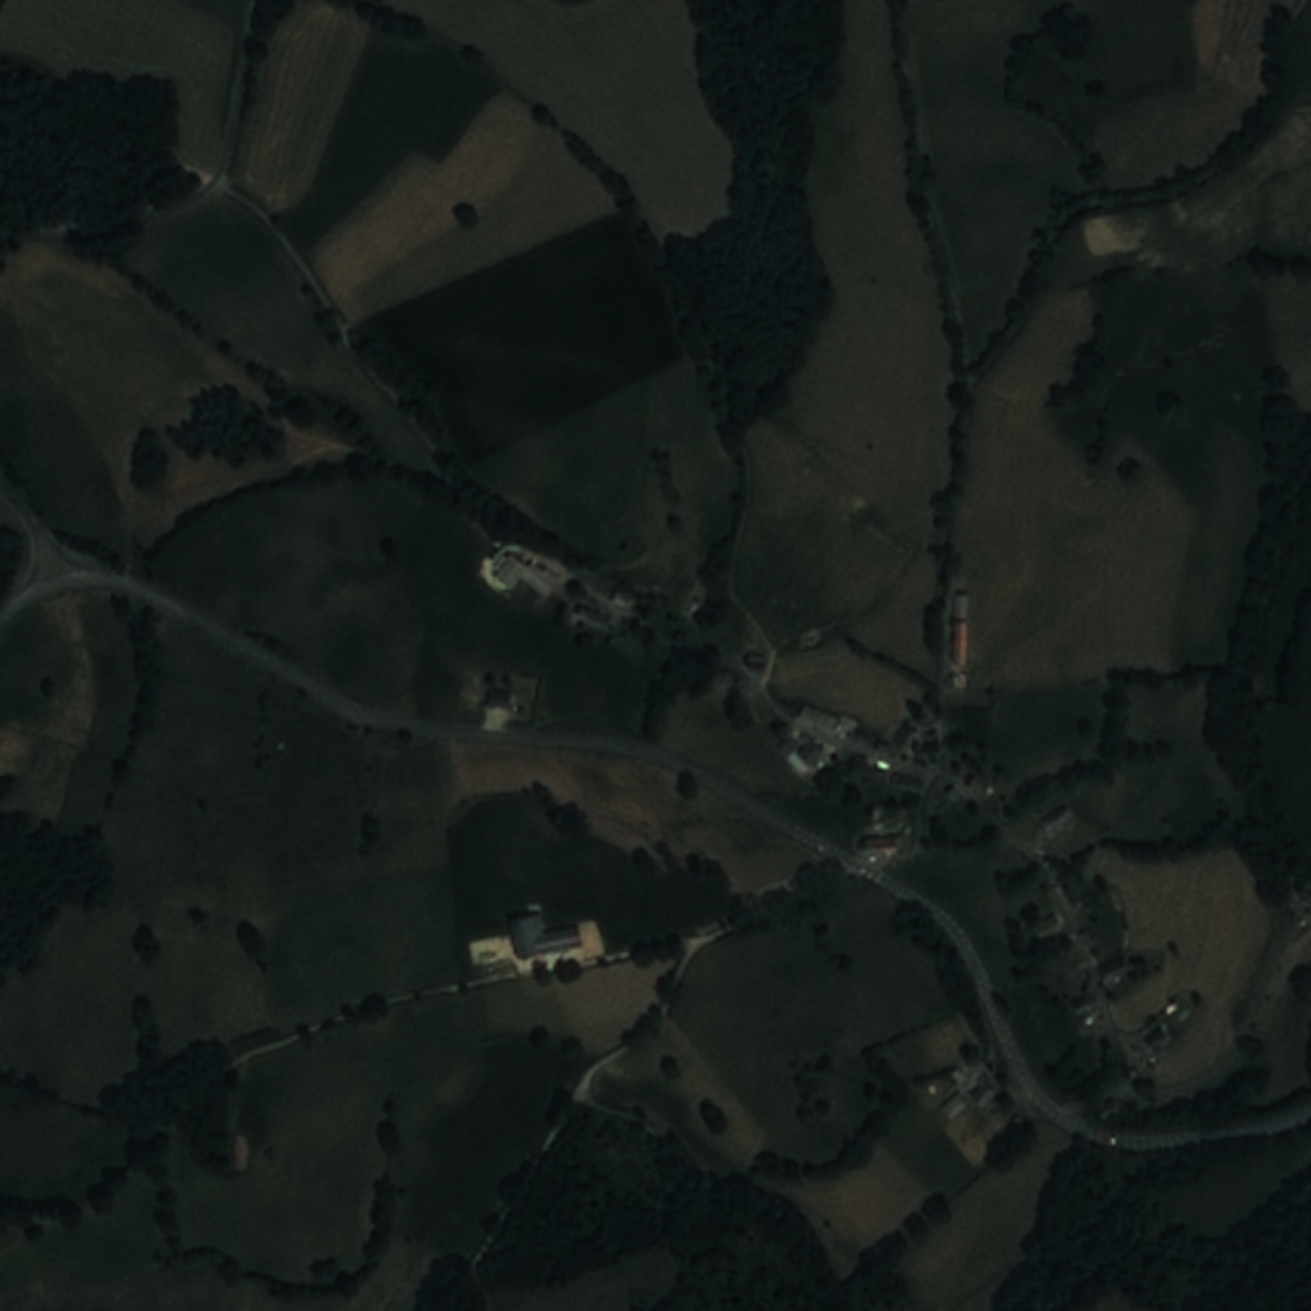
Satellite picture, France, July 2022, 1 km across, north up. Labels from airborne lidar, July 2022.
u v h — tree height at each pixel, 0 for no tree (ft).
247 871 0
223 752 0
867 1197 0
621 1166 0
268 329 0
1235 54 0
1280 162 0
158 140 65
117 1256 0
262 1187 0
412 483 41
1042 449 0
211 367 0
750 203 69
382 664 0
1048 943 48
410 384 32
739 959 0
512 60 0
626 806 0
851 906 0
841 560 0
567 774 0
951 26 0
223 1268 48
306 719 0
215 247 0
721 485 0
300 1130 0
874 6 0
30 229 57
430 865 0
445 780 0
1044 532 0
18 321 0
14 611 0
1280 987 0
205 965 0
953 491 40
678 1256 49
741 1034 0
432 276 0
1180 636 0
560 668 0
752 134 69
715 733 0
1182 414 63
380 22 55
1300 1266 27
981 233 0
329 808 0
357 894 0
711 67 50
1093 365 73
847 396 0
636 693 0
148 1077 63
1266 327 0
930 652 40
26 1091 48
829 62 91
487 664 0
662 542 0
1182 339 0
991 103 0
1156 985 0
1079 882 31
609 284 0
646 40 0
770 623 0
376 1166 0
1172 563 0
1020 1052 0
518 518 57
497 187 0
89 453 0
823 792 62
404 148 0
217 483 0
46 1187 0
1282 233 0
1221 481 0
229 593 0
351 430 26
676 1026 0
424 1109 0
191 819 0
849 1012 0
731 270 75
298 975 0
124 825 0
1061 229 52
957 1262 0
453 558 0
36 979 0
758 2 70
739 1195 81
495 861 0
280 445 52
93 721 0
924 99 0
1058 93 0
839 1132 0
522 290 0
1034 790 57
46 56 0
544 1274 23
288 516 0
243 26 0
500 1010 0
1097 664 0
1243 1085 64
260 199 0
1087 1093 62
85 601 0
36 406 0
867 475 0
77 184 76
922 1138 0
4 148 95
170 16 0
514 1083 0
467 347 0
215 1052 42
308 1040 49
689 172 0
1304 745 0
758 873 0
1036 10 0
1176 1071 0
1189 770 0
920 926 78
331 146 0
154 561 43
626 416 0
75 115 75
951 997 47
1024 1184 0
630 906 0
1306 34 0
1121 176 0
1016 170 0
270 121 0
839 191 0
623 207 46
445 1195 0
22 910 62
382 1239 46
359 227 0
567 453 0
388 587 0
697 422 0
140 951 62
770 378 25
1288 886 41
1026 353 0
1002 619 0
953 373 28
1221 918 0
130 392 0
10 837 52
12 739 0
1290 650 42
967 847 28
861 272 0
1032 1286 48
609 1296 0
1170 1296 19
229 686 0
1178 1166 65
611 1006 0
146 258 0
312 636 0
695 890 0
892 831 0
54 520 0
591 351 0
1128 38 0
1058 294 0
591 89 0
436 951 0
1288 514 62
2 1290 0
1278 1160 0
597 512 0
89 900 66
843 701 0
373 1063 0
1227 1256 70
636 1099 0
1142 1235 56
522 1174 33
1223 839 55
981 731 0
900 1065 0
